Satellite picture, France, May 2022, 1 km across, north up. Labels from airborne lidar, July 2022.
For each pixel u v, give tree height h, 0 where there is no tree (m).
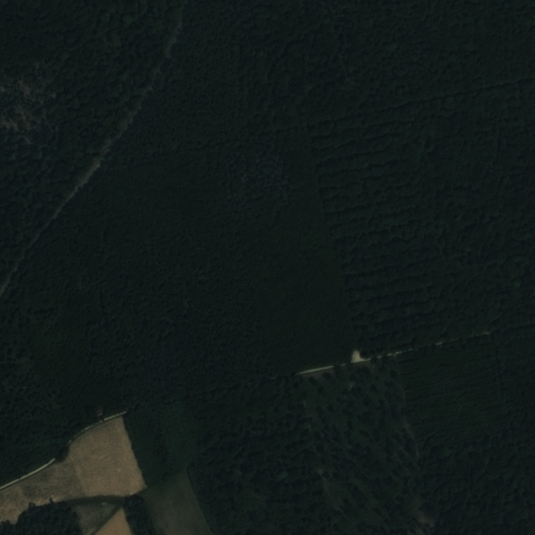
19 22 27
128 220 16
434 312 23
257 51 28
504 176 25
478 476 21
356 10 25
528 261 17
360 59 26
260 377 16
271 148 20
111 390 8
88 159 27
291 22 26
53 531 29
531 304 25
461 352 8
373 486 22
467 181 17
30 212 26
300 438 25
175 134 17
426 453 7
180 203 20
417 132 26
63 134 25
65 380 6
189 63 20
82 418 8
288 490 22
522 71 24
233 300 18
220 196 20
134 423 15
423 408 8
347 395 23
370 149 21
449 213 26
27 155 28
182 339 19
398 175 27
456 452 13
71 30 25
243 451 22
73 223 22
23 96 14
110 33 27
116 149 20
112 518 0
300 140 15
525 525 27
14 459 16
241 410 18
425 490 22
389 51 27
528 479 17
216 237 19
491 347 8
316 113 26
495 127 24
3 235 20
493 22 24
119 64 28
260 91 26
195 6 24
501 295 28
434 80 23
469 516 26
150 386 21
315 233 15
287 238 16
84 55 19
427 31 26
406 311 25
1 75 16
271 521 21
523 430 20
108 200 23
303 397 22
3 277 23
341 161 24
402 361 6
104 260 19
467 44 27
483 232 27
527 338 19
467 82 28
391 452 24
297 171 15
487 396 6
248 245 16
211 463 22
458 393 7
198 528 0
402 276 23
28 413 14
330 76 26
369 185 28
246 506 9
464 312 27
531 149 19
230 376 17
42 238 16
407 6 24
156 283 22
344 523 25
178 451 18
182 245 19
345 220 23
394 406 26
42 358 6
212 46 16
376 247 22
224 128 17
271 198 20
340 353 13
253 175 20
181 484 0
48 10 28
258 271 19
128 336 23
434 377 6
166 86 18
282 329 12
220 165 21
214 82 16
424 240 26
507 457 13
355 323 23
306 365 14
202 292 18
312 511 23
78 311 9
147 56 21
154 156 14
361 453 26
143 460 16
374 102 23
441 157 21
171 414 19
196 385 22
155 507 0
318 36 27
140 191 22
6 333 6
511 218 26
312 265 17
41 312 16
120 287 17
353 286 25
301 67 29
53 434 15
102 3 29
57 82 26
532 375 27
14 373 11
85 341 7
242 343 18
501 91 26
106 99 25
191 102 21
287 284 12
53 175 27
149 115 23
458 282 27
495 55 26
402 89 23
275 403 22
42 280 22
